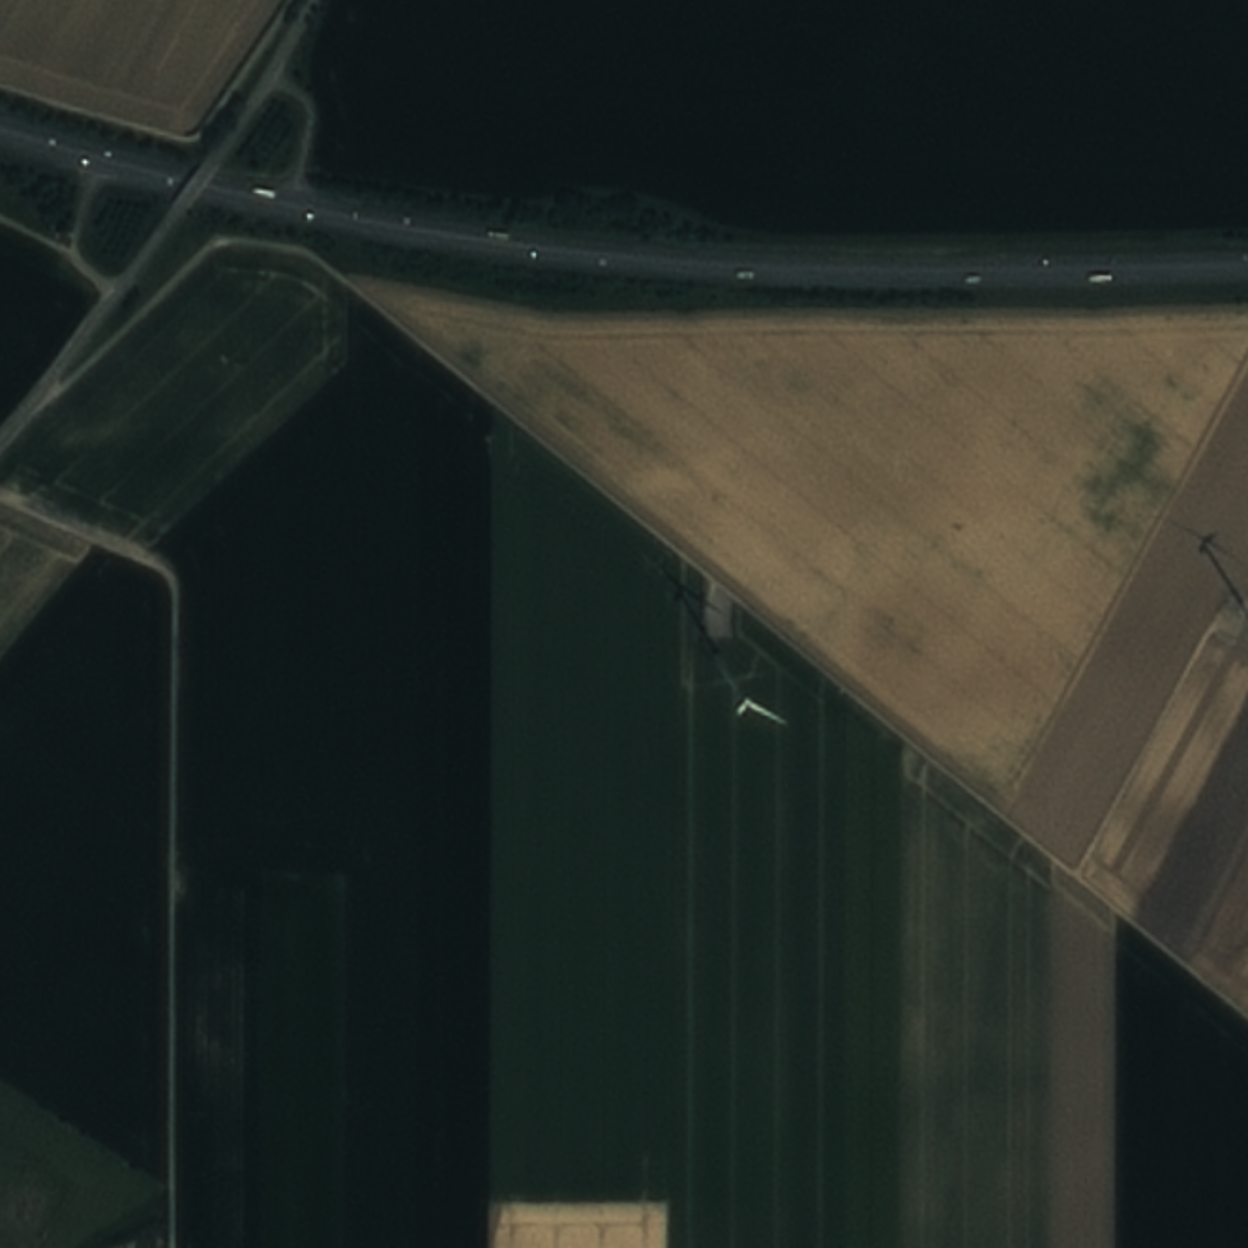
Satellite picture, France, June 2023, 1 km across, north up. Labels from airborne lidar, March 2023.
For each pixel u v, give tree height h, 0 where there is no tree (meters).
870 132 0
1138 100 0
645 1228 0
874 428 0
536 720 0
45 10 0
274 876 0
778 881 0
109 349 0
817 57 0
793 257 0
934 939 0
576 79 0
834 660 0
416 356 0
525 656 0
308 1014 0
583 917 0
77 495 0
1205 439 0
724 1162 0
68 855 0
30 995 0
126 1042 0
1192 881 0
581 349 0
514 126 0
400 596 0
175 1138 0
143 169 0
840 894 0
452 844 0
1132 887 0
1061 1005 0
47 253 0
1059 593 0
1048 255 0
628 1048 0
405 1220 0
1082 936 0
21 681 0
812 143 0
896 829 0
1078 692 0
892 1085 0
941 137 0
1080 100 0
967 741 0
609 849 0
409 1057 0
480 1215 0
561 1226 0
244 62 0
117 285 0
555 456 0
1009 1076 0
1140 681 0
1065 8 0
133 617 0
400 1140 0
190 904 0
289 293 0
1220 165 0
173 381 0
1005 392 0
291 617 0
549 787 0
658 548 0
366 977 0
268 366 0
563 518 0
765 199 0
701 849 0
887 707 0
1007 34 0
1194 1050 0
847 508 0
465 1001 0
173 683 0
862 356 0
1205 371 0
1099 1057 0
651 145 0
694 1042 0
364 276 0
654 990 0
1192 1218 0
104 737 0
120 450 0
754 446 0
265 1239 0
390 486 0
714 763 0
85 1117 0
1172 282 0
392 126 0
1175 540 0
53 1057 0
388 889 0
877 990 0
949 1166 0
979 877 0
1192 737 0
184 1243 0
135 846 0
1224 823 0
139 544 0
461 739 0
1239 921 0
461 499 0
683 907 0
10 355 0
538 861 0
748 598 0
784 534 0
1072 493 0
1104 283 0
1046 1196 0
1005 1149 0
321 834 0
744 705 0
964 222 0
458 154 0
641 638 0
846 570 0
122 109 0
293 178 0
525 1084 0
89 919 0
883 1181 0
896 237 0
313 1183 0
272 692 0
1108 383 0
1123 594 0
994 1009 0
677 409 0
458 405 0
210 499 0
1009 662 0
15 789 0
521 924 0
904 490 0
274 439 0
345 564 0
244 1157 0
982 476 0
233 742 0
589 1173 0
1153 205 0
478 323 0
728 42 0
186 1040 0
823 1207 0
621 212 14
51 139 0
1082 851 0
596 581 0
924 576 0
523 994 0
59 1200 0
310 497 0
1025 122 0
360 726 0
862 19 0
